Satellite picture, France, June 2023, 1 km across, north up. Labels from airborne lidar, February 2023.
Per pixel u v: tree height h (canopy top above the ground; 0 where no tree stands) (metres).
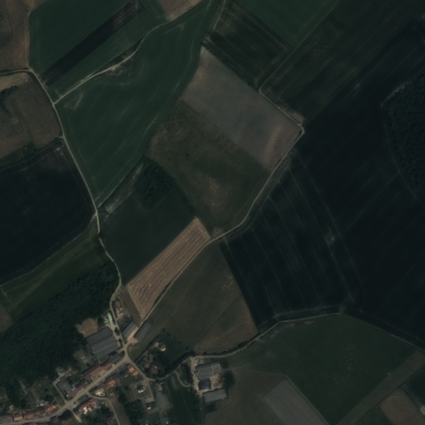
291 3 0
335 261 0
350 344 0
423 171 23
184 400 0
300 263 0
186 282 0
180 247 0
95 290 7
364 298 0
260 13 0
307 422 0
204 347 0
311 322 0
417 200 0
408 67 0
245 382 0
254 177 0
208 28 0
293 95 0
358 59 0
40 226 0
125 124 0
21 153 0
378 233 0
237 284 0
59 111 0
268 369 0
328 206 0
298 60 0
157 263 0
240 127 0
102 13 0
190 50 0
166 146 0
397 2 0
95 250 0
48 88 0
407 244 0
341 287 0
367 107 0
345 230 0
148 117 0
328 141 0
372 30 0
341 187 0
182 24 0
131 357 0
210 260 0
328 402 0
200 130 0
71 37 0
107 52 0
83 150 0
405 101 23
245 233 0
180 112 0
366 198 0
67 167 0
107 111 0
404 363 0
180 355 0
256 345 0
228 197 0
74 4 0
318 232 0
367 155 0
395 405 0
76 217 0
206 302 0
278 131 0
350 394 0
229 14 0
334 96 0
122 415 0
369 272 0
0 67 0
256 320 0
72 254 0
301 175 0
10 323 0
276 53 0
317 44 0
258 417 0
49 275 0
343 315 0
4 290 0
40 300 0
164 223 0
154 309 0
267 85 0
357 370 0
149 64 0
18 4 0
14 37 0
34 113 0
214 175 0
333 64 0
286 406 0
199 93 0
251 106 0
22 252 0
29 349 6
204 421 0
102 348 0
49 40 0
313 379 0
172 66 0
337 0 0
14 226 0
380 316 0
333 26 0
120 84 0
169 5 0
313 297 0
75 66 0
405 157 18
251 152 0
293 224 0
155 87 0
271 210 0
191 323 0
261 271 0
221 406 0
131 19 0
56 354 8
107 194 0
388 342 0
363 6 0
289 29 0
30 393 0
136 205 0
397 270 0
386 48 0
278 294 0
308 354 0
